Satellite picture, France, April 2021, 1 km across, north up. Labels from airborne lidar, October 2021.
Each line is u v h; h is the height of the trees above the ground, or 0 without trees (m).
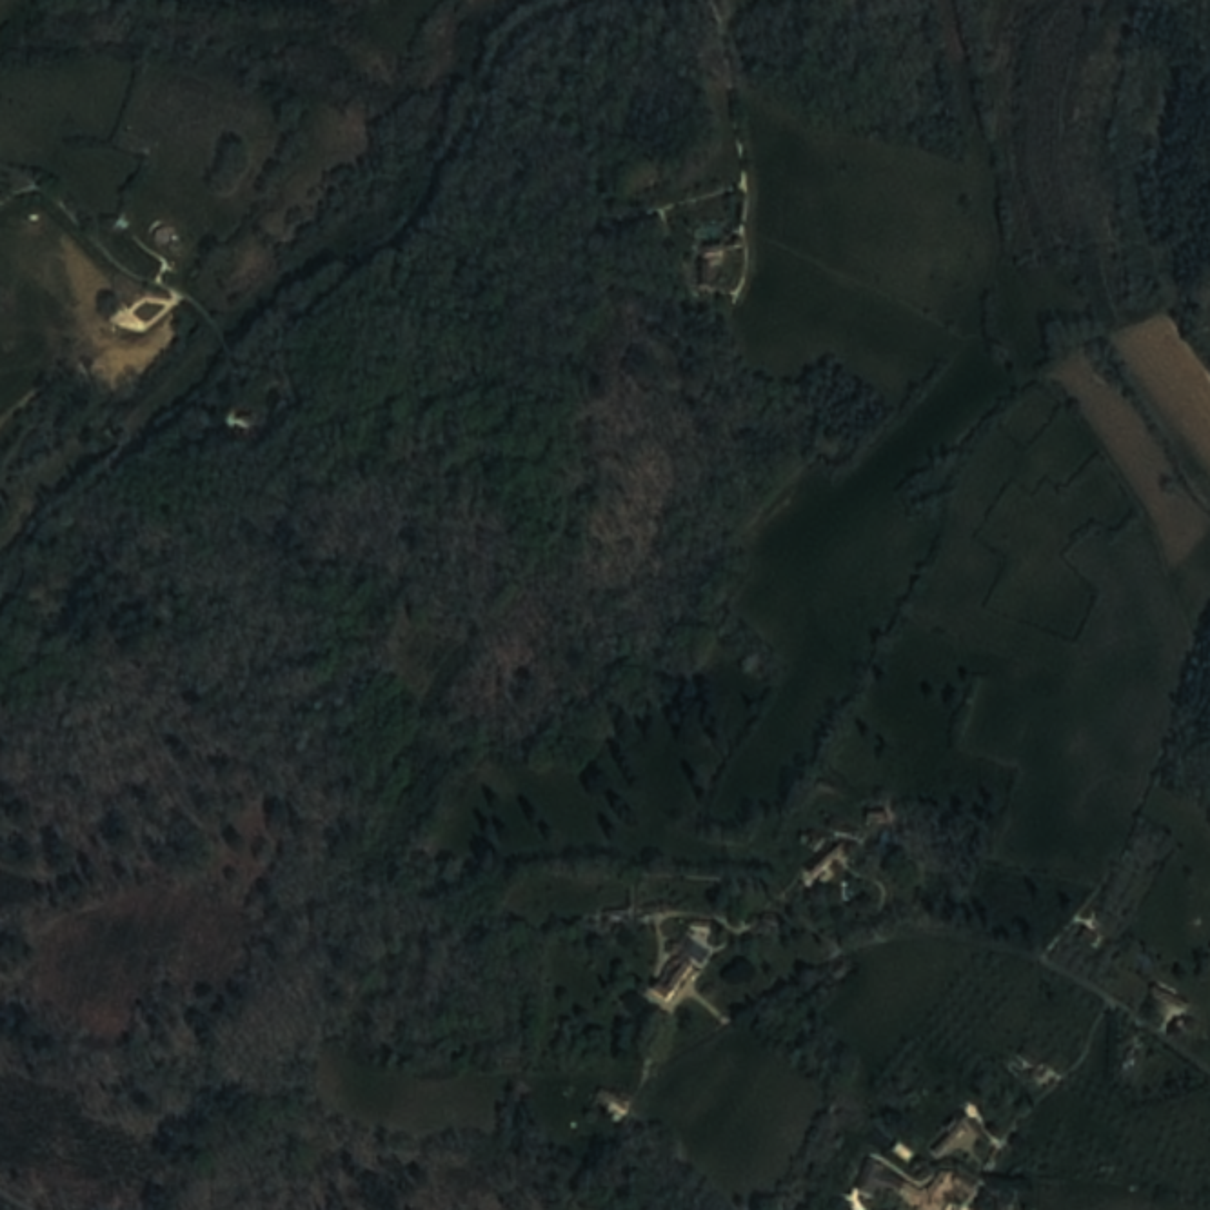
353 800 21
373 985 24
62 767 15
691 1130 0
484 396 17
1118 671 0
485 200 15
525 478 27
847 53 22
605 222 18
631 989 9
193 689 10
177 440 20
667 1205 20
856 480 0
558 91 14
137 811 20
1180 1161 7
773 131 0
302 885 20
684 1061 0
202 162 0
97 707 15
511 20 23
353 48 7
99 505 13
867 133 14
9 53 7
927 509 11
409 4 0
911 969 0
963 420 0
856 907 10
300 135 16
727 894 14
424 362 17
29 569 9
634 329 18
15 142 0
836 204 0
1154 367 0
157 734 14
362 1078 0
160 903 0
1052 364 14
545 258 23
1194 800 17
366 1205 19
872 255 0
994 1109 11
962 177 0
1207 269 15
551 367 24
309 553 27
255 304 0
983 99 11
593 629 8
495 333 25
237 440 14
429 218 20
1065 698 0
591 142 22
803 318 0
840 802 0
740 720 0
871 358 0
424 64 7
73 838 11
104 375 0
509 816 0
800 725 0
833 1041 17
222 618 12
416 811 8
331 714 16
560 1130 0
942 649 0
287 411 14
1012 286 0
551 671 7
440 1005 17
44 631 7
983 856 21
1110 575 0
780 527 0
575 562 10
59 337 0
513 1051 15
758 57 16
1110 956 10
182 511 21
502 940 23
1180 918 0
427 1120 0
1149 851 9
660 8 18
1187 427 0
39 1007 13
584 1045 13
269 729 9
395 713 19
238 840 21
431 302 20
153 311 0
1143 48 16
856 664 0
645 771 0
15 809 20
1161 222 11
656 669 14
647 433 17
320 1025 22
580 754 23
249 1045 24
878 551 0
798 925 9
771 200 0
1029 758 0
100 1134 5
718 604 25
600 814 0
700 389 26
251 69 13
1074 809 0
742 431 24
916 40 16
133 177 6
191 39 12
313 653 16
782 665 12
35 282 0
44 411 10
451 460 19
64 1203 19
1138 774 0
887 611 0
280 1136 22
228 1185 11
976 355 0
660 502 21
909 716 0
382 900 20
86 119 0
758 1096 0
